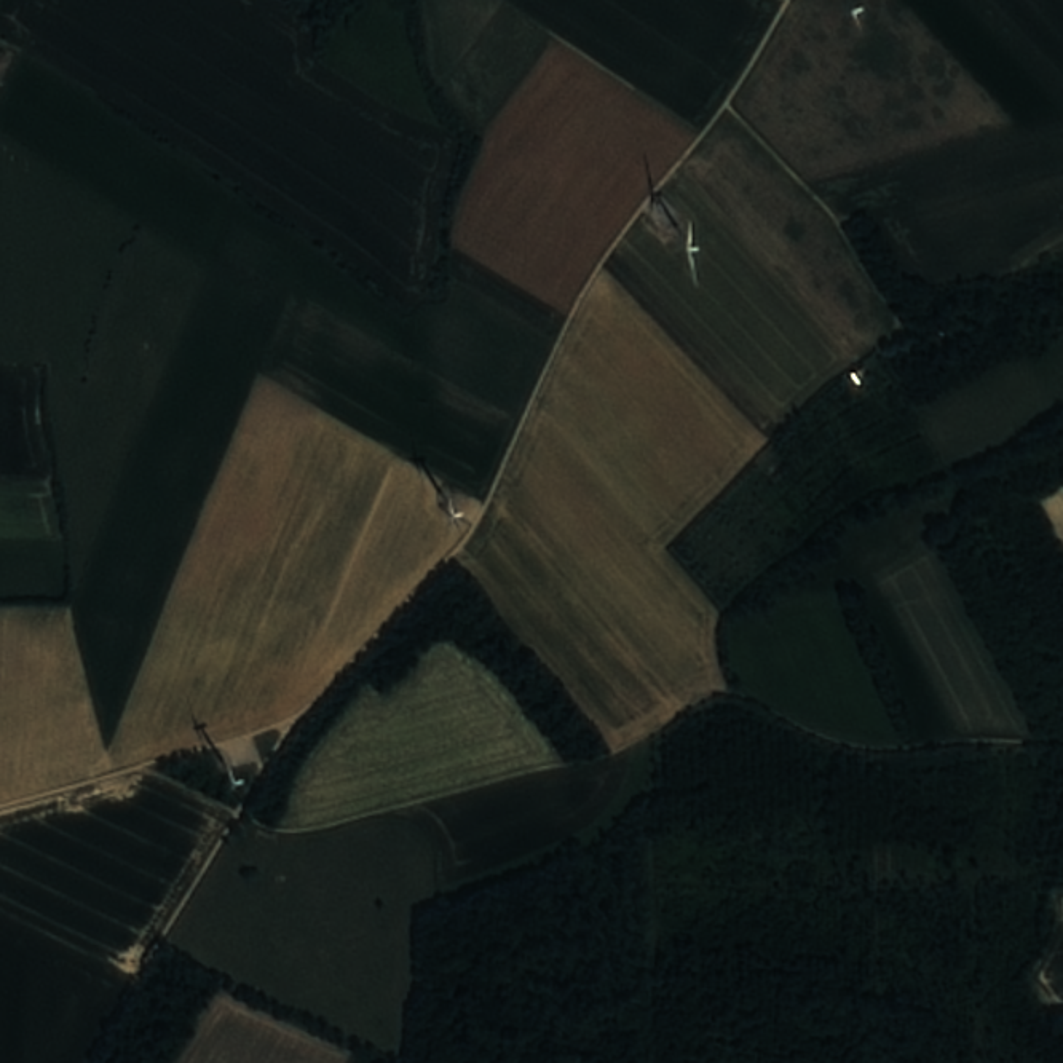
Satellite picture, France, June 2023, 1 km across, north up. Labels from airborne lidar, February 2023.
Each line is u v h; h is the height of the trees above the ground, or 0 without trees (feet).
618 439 0
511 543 0
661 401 0
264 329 0
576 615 0
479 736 0
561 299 0
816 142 0
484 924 69
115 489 0
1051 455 48
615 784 0
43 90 0
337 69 0
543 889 86
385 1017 0
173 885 0
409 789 0
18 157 0
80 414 0
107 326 0
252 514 0
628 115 0
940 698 0
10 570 0
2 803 0
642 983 74
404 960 0
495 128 0
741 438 0
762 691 0
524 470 0
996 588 44
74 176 0
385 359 0
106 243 0
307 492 0
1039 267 22
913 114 0
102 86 0
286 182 0
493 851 0
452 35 0
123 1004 56
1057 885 21
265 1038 0
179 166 0
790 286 0
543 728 34
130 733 0
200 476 0
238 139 0
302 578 0
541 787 0
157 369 0
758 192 0
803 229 0
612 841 71
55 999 0
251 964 0
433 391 0
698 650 0
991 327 51
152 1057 93
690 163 0
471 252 0
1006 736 0
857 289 0
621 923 81
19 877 0
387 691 45
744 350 0
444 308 0
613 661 0
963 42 0
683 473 0
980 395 0
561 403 0
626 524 0
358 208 0
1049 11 0
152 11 0
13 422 0
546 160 0
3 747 0
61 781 0
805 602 0
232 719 0
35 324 0
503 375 0
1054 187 0
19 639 0
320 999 0
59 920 0
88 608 0
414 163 0
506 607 0
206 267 0
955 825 41
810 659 0
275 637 0
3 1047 0
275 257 0
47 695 0
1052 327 25
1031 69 0
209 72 0
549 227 0
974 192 0
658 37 0
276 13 0
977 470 52
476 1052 80
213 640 0
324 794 0
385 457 0
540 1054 79
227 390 0
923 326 46
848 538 0
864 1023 66
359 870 0
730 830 26
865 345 0
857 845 46
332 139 0
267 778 33
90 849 0
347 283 0
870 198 0
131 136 0
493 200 0
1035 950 21
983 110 0
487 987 71
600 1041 54
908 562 0
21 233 0
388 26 0
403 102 0
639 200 0
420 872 0
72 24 0
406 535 0
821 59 0
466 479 0
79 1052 0
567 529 0
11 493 0
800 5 0
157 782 0
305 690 0
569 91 0
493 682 0
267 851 0
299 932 0
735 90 0
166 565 0
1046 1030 43
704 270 0
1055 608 75
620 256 0
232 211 0
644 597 0
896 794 26
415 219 0
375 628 0
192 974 81
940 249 0
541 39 0
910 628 0
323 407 0
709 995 29
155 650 0
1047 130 0
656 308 0
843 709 0
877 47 0
